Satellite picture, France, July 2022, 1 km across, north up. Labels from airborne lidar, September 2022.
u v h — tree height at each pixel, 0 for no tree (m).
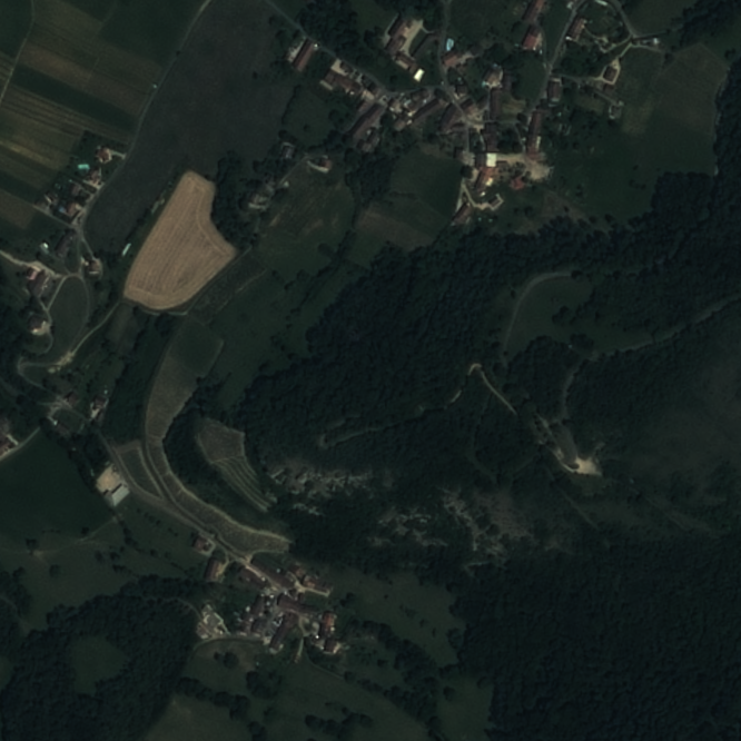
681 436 0
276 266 0
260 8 0
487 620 21
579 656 27
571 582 9
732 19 14
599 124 10
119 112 0
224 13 0
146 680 14
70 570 0
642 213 0
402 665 17
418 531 8
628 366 14
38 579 0
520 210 10
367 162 8
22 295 0
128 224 0
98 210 0
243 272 0
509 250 18
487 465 14
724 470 7
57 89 0
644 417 6
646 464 0
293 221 0
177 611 10
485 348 7
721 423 0
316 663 15
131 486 0
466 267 11
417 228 0
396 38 0
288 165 12
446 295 9
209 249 0
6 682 0
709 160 0
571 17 0
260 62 0
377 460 6
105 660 0
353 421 12
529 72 0
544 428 10
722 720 33
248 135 0
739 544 16
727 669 24
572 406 11
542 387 15
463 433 8
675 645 24
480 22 0
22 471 0
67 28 0
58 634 16
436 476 10
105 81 0
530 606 22
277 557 0
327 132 0
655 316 7
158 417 0
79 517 0
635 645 23
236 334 0
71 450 7
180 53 8
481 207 0
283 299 0
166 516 0
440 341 14
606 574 17
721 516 11
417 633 0
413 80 0
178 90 0
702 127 0
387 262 9
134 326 0
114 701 19
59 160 0
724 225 22
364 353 29
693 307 13
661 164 0
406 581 0
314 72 6
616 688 22
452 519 10
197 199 0
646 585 11
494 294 9
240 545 0
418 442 17
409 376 13
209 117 0
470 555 8
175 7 0
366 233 0
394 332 29
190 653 22
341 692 0
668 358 7
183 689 11
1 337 16
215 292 0
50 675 18
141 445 0
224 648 0
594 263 22
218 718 0
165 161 0
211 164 0
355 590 0
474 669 21
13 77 0
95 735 20
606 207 0
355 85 0
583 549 10
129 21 0
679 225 23
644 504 10
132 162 0
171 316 8
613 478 9
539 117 0
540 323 0
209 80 0
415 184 0
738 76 18
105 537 0
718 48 0
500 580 21
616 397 11
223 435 0
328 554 19
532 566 11
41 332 0
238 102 0
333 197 0
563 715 29
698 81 0
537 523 7
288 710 0
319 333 19
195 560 0
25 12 0
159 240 0
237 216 11
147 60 0
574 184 0
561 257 23
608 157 0
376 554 16
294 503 14
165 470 0
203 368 0
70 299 0
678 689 25
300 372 21
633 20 0
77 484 0
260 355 0
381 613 0
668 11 0
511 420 10
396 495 13
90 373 0
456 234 7
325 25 21
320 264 0
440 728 10
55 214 8
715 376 0
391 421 9
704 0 15
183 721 0
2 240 12
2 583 15
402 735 0
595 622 28
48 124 0
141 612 17
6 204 0
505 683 27
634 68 0
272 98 0
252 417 17
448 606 0
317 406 19
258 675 15
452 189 0
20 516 0
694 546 9
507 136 9
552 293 0
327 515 15
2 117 0
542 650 25
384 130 7
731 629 25
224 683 0
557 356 14
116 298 12
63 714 15
